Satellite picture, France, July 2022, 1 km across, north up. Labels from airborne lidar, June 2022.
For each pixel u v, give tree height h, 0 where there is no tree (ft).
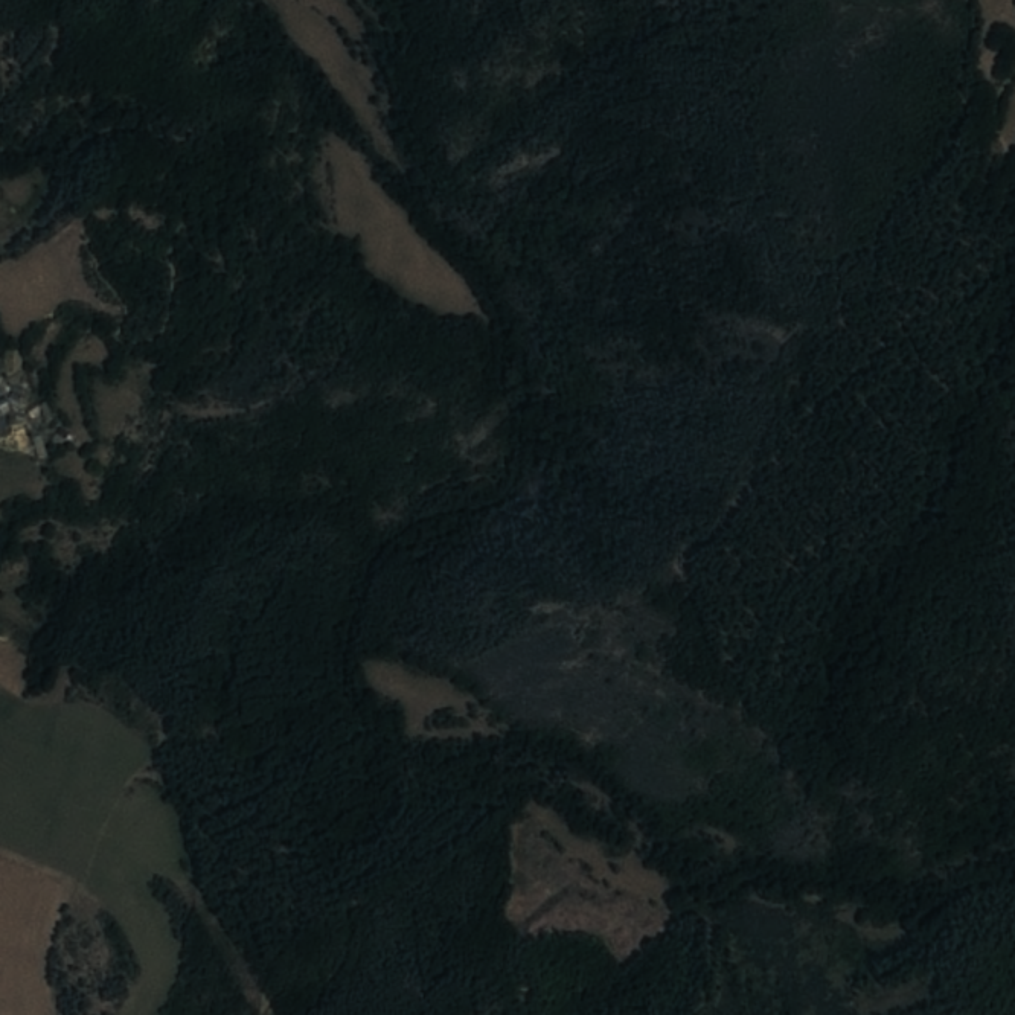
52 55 21
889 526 83
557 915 0
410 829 82
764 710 68
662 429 33
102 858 0
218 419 26
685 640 38
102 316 34
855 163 18
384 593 72
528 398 23
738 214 33
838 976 0
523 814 48
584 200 51
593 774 34
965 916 45
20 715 0
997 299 110
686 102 38
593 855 0
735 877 47
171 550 89
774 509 90
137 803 0
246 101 76
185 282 33
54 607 28
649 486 41
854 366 79
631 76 45
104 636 50
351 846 69
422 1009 82
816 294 52
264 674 121
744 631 89
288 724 70
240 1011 41
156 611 46
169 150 57
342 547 35
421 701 0
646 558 52
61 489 35
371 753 67
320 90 61
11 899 0
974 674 31
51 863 0
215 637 49
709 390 41
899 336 53
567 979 40
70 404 0
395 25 46
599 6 46
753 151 54
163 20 51
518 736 50
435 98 32
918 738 52
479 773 57
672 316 44
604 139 56
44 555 49
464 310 0
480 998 55
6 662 0
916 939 75
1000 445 39
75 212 85
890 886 49
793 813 19
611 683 27
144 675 63
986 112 70
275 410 31
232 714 56
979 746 50
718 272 41
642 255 44
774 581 97
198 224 28
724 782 37
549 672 0
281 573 62
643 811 35
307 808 65
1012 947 52
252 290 45
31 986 0
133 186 46
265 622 95
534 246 33
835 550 89
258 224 39
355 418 46
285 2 0
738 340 21
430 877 61
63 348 36
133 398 0
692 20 54
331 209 0
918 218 90
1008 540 31
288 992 50
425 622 53
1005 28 57
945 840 35
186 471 49
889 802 41
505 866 61
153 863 0
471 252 48
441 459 45
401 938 53
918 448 105
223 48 38
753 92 23
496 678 0
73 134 26
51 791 0
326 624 106
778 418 70
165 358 64
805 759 70
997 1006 45
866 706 35
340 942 62
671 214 33
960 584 64
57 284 0
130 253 32
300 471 33
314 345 41
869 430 118
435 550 46
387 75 69
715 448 54
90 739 0
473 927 74
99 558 60
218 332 20
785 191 45
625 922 0
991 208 73
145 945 0
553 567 48
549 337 30
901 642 63
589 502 31
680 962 51
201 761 107
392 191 38
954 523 72
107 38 57
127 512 34
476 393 41
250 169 45
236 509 73
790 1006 19
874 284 65
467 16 29
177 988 22
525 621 39
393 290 64
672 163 47
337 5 0
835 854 45
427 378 53
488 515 32
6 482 0
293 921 71
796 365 28
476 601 43
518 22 22
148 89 59
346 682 48
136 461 38
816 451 108
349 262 38
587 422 38
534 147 19
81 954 0
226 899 93
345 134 42
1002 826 37
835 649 72
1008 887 62
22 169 48
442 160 43
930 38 22
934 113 22
